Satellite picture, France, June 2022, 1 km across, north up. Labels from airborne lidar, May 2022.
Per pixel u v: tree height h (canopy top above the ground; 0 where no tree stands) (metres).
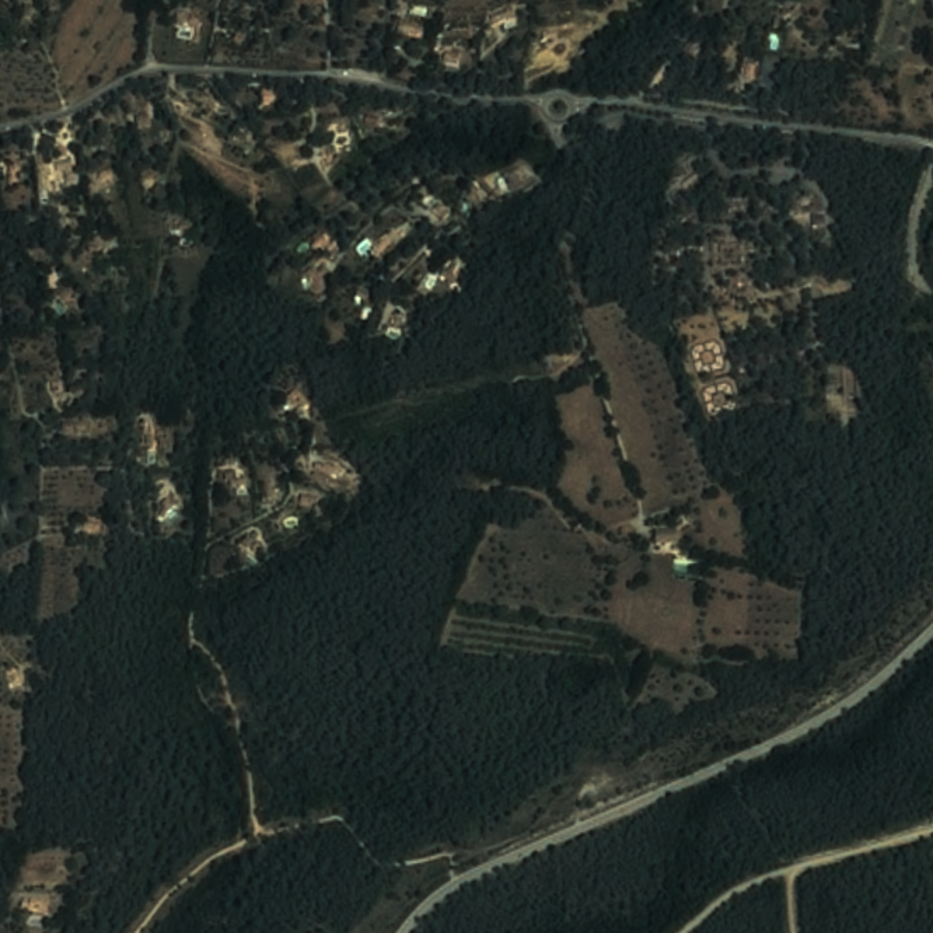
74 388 18
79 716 12
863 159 17
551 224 17
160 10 12
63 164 0
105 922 15
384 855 14
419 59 18
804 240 21
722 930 11
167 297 17
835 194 21
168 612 12
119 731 15
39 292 9
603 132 16
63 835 13
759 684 17
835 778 16
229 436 11
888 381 23
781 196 20
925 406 16
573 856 13
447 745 17
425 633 18
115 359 13
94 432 0
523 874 13
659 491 0
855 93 13
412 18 6
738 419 17
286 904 16
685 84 18
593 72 14
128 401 19
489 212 18
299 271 15
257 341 17
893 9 0
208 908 6
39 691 10
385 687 22
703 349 0
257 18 11
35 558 17
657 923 15
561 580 0
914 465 20
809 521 18
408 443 10
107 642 16
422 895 10
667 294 20
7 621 18
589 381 9
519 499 16
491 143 15
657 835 15
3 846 14
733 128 17
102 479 17
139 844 17
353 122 5
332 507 7
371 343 15
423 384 12
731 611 0
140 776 21
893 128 11
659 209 13
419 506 17
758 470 11
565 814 0
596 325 0
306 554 8
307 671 9
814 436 18
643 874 13
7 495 17
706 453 16
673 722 15
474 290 15
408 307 10
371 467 22
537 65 0
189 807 18
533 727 17
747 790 16
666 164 17
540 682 23
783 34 11
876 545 20
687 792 11
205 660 17
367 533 16
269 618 14
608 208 12
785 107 15
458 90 22
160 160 21
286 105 15
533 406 17
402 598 17
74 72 0
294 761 14
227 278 13
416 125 19
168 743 22
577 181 22
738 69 8
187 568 10
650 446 0
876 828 14
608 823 0
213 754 25
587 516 11
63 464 18
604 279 16
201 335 16
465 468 18
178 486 18
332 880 16
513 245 14
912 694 16
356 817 16
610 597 11
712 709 16
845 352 21
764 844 16
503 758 16
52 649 17
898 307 20
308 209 21
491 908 12
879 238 21
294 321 15
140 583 14
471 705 17
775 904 18
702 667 7
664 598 0
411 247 13
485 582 0
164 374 13
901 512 19
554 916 11
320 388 19
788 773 15
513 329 6
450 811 16
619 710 14
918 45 12
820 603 18
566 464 9
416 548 15
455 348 15
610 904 18
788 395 20
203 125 0
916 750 19
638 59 19
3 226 10
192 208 9
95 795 15
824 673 7
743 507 7
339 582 17
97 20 0
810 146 17
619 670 9
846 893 19
